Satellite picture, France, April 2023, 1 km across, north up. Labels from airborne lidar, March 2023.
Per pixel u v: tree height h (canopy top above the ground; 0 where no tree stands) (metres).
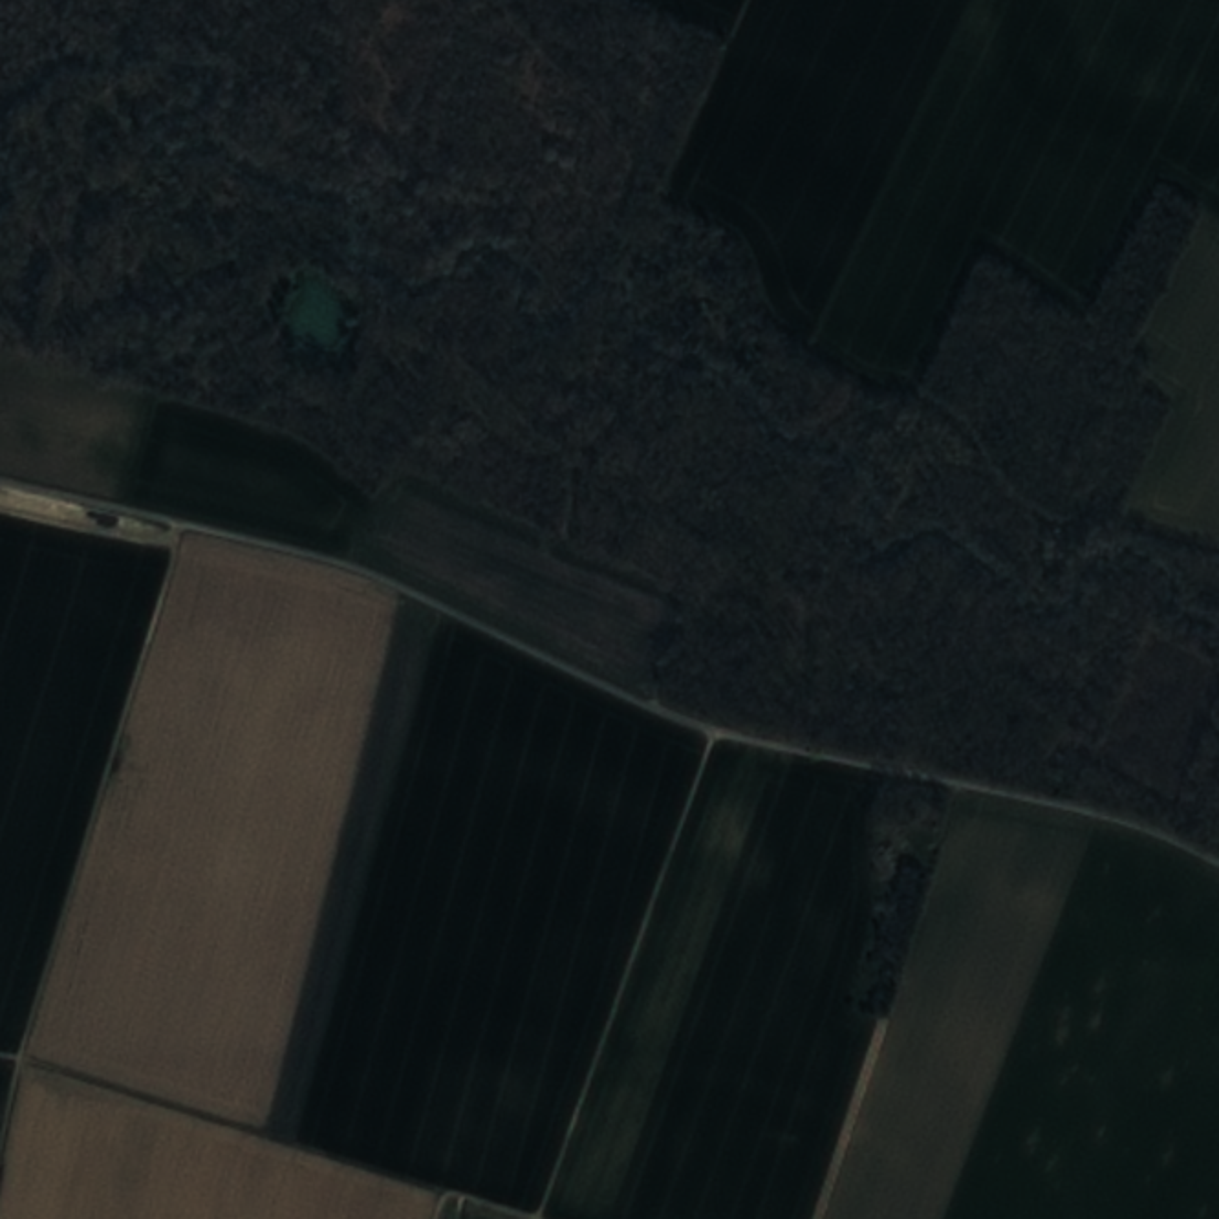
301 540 0
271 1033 0
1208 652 17
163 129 21
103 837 0
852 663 25
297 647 0
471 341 10
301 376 25
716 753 0
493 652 0
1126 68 0
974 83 0
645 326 15
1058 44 0
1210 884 0
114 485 0
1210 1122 0
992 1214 0
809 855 0
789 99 0
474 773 0
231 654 0
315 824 0
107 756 0
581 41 19
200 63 7
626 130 16
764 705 23
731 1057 0
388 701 0
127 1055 0
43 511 0
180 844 0
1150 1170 0
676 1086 0
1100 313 20
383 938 0
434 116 11
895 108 0
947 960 0
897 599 26
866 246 0
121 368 27
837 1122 0
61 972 0
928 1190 0
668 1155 0
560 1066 0
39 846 0
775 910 0
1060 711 20
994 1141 0
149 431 0
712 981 0
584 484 20
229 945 0
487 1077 0
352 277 26
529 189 6
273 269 23
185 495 0
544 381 24
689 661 23
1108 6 0
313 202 24
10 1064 0
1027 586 20
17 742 0
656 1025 0
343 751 0
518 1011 0
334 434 20
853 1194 0
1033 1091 0
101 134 20
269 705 0
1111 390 23
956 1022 0
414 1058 0
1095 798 19
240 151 21
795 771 0
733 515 18
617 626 0
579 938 0
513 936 0
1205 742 17
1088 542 28
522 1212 0
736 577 22
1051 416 20
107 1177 0
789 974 0
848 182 0
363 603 0
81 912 0
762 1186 0
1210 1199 0
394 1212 0
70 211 33
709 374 26
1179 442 0
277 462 0
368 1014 0
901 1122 0
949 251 0
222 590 0
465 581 0
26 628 0
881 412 15
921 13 0
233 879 0
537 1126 0
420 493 0
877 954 6
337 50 7
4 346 38
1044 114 0
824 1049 0
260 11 11
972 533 13
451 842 0
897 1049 0
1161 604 16
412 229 11
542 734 0
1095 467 19
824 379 22
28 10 26
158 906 0
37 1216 0
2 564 0
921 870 10
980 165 0
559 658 0
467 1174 0
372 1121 0
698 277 10
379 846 0
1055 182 0
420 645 0
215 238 29
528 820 0
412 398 24
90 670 0
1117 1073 0
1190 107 0
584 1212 0
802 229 0
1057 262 0
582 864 0
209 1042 0
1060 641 21
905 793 21
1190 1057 0
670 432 38
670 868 0
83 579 0
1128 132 0
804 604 27
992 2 0
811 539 18
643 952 0
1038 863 0
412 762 0
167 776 0
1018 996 0
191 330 34
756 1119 0
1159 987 0
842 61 0
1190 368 0
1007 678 24
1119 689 17
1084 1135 0
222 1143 0
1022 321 22
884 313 0
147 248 40
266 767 0
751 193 0
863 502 7
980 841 0
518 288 19
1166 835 0
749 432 20
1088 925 0
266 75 15
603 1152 0
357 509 0
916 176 0
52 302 37
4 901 0
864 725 24
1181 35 0
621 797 0
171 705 0
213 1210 0
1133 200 0
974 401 21
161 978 0
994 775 20
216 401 8
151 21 15
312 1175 0
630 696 0
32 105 36
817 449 20
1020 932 0
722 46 10
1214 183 0
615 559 16
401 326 25
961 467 20
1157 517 0
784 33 0
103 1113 0
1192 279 0
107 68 29
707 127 0
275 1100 0
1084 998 0
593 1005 0
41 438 0
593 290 19
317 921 0
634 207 14
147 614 0
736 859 0
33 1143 0
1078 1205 0
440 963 0
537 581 0
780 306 0
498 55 6
